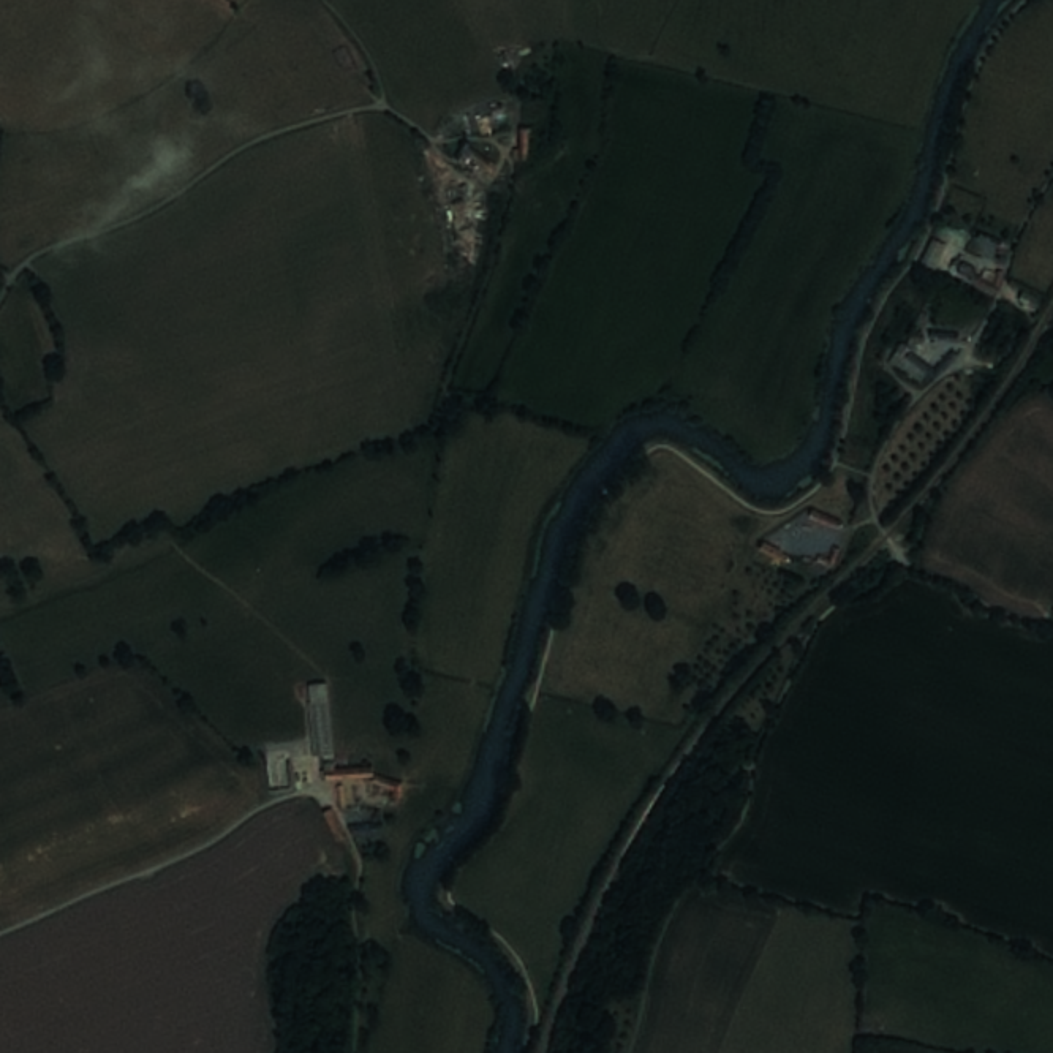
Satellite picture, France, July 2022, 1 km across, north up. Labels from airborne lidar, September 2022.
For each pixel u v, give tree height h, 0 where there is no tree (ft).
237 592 0
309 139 0
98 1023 0
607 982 47
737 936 0
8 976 0
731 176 0
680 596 0
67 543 0
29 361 0
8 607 0
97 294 0
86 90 0
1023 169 0
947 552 0
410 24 0
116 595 0
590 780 0
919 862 0
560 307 0
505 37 0
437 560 0
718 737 34
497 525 0
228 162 0
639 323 0
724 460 0
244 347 0
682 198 0
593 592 0
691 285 0
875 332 0
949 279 48
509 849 0
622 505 0
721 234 0
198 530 51
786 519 0
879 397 38
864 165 0
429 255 0
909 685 0
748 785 32
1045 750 0
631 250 0
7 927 0
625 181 0
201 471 0
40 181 0
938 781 0
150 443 0
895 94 0
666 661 0
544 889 0
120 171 0
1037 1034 0
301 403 0
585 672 0
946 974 0
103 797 0
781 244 0
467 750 0
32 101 0
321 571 24
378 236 0
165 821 0
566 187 0
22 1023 0
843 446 19
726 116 0
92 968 0
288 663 0
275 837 0
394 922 0
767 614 0
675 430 0
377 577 0
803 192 0
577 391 0
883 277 22
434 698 0
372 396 0
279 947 34
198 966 0
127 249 0
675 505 0
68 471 0
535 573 0
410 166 0
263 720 0
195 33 0
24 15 0
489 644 0
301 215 0
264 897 0
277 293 0
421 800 0
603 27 0
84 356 0
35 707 0
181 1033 0
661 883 47
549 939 0
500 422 0
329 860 0
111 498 0
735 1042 0
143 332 0
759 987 0
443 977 0
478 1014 0
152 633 0
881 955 0
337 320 0
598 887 31
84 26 0
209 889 0
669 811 65
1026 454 0
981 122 0
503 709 0
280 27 0
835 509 0
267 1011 0
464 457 0
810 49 0
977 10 0
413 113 0
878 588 25
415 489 0
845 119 0
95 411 0
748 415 0
